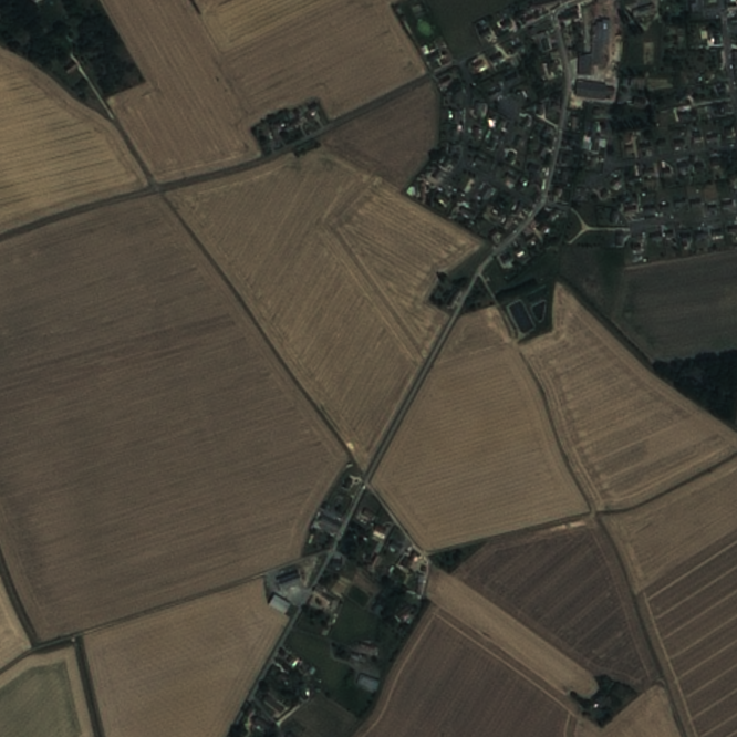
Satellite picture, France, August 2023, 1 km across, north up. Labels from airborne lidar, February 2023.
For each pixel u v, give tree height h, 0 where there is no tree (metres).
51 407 0
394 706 0
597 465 0
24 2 15
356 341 0
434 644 0
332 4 0
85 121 0
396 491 0
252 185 0
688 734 0
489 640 0
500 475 0
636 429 0
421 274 0
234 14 0
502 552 0
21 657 0
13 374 0
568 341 0
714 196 0
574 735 0
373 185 0
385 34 0
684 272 0
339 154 0
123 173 0
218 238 0
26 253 0
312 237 0
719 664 0
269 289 0
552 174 0
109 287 0
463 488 0
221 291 0
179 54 0
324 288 0
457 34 0
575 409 0
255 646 0
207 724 0
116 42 6
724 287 0
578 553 0
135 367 0
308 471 0
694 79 0
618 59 0
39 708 0
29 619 0
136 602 0
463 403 0
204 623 0
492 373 0
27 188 0
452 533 0
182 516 0
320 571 0
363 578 0
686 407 0
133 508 0
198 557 0
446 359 0
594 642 0
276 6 0
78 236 0
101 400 0
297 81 0
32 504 0
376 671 0
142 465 0
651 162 0
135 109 0
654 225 0
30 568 0
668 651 0
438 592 0
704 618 0
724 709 0
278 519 0
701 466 0
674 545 0
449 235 0
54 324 0
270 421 0
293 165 0
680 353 0
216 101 0
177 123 0
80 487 0
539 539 0
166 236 0
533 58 7
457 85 6
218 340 0
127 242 0
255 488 0
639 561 0
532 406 0
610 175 0
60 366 0
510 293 8
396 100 0
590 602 0
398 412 0
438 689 0
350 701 0
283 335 0
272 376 0
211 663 0
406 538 0
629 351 0
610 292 0
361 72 0
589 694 0
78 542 0
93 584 0
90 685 0
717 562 0
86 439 0
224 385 0
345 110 0
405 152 0
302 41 0
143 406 0
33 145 0
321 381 0
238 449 0
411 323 0
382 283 0
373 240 0
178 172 0
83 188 0
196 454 0
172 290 0
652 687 0
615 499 0
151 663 0
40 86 0
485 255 0
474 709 0
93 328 0
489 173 0
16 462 0
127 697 0
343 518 0
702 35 0
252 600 0
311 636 0
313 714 0
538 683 0
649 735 0
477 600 0
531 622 0
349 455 0
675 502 0
